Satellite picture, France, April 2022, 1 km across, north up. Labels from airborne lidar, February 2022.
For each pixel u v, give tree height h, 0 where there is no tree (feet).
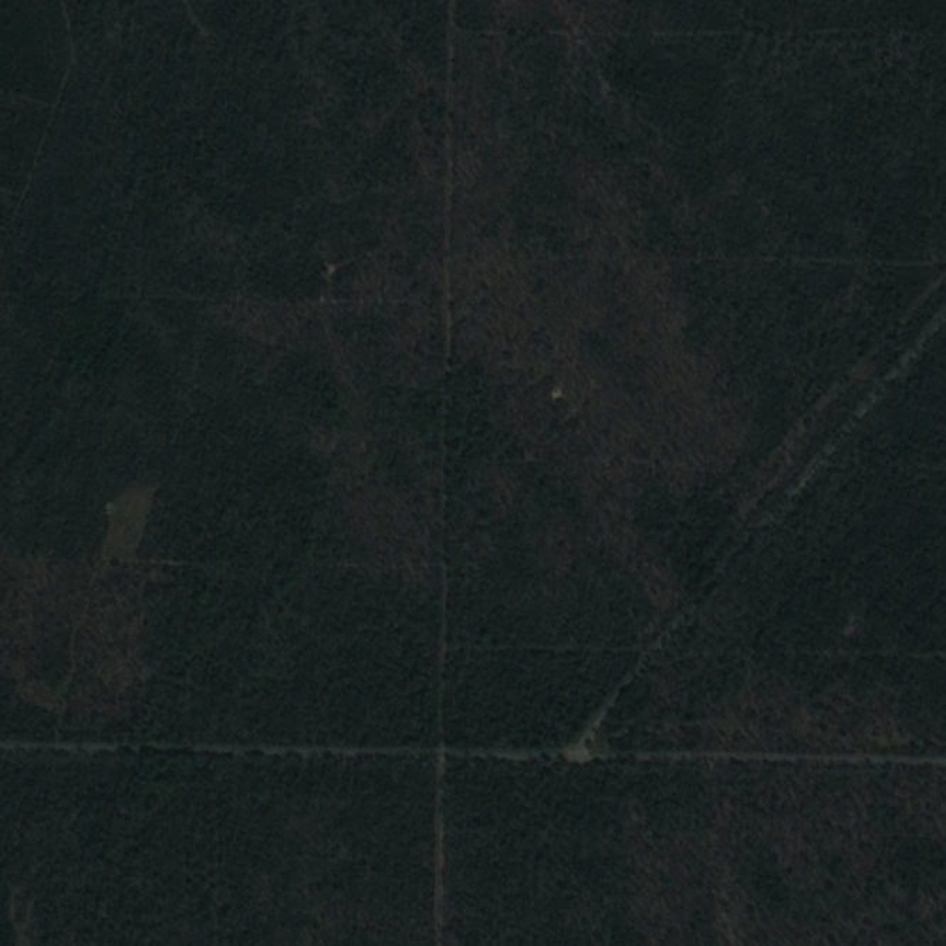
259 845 18
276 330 22
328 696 37
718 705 37
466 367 27
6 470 48
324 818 40
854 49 36
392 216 32
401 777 37
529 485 41
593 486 43
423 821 35
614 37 31
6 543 47
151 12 26
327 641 37
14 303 23
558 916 20
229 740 45
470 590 22
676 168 23
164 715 49
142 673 52
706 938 45
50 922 33
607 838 30
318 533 31
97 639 33
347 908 44
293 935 39
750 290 38
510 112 31
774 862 40
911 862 46
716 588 44
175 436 34
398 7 20
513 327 27
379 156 27
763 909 41
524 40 31
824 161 26
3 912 19
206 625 49
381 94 42
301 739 31
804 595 41
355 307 25
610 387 49
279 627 51
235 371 20
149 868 38
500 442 30
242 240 37
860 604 41
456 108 38
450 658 25
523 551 28
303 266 22
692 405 45
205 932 43
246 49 40
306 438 33
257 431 32
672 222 28
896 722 36
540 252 39
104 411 42
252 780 42
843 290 33
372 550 40
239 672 35
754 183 46
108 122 48
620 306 33
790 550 42
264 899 28
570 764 51
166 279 26
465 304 43
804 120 36
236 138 40
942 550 36
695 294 41
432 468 56
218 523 31
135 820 25
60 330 27
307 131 28
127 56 24
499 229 35
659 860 43
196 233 41
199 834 40
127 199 43
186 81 42
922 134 28
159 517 31
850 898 45
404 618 39
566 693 34
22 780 36
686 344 39
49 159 32
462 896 35
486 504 33
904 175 44
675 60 28
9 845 19
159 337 27
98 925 49
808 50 40
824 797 29
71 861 47
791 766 35
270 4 21
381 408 37
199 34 40
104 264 40
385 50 23
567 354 39
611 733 46
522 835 43
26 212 31
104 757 35
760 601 53
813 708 29
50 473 32
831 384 37
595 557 38
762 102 31
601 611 30
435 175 36
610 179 49
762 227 28
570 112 33
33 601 42
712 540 39
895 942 51
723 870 55
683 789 39
